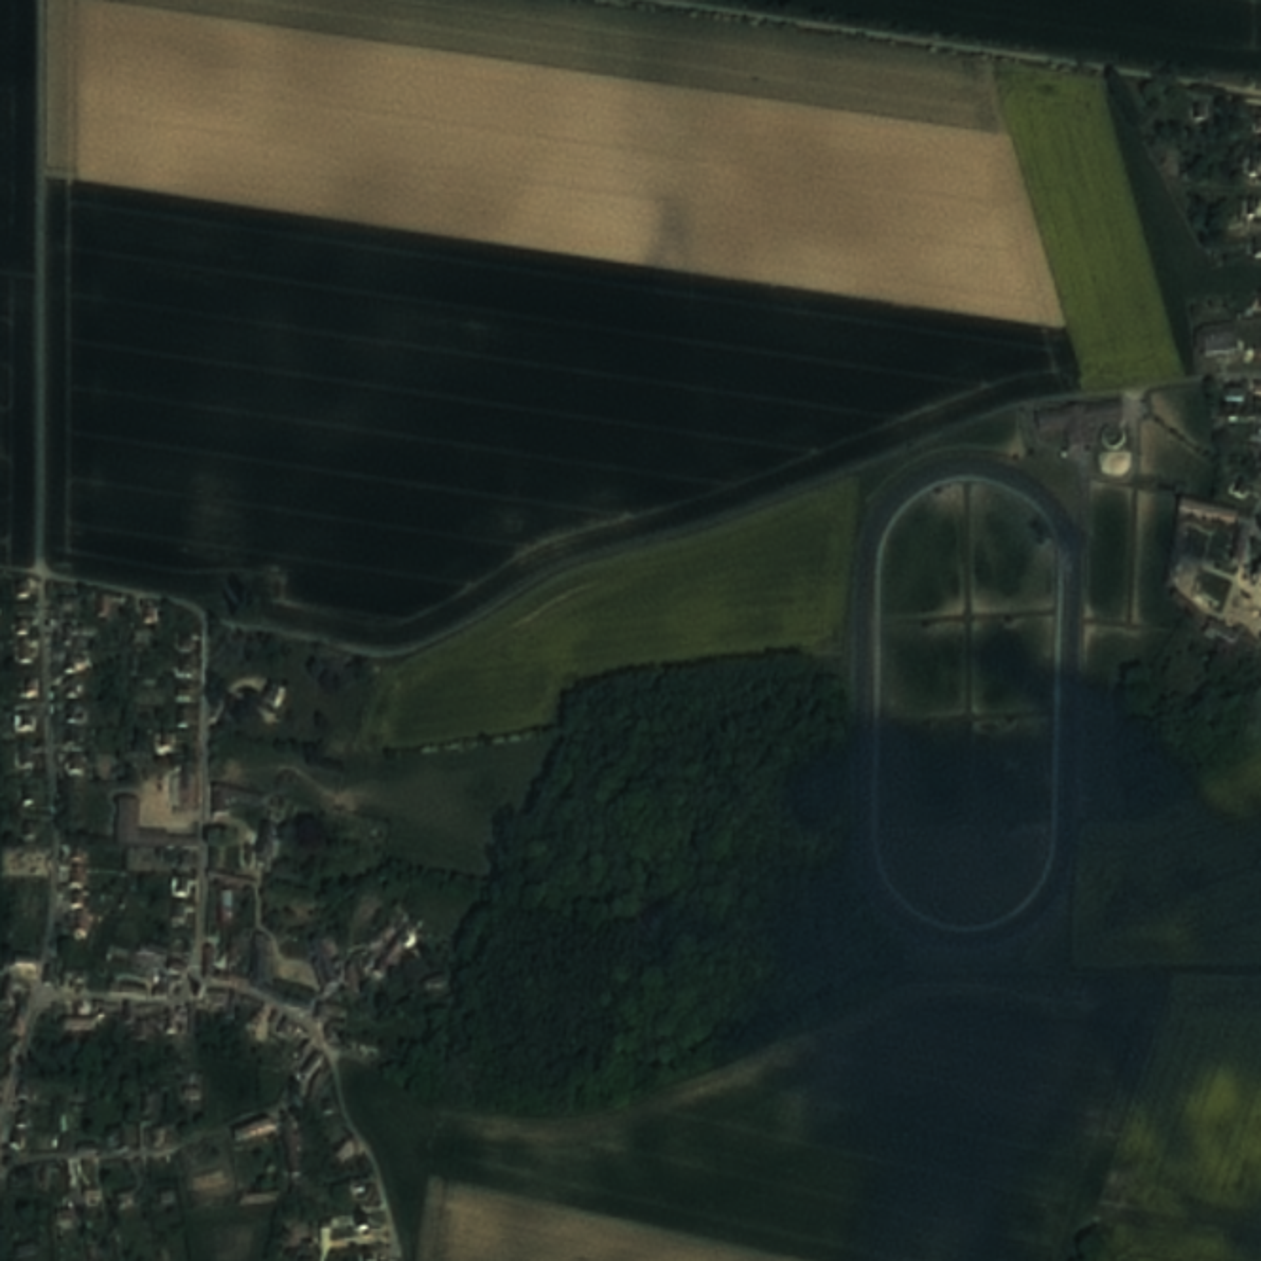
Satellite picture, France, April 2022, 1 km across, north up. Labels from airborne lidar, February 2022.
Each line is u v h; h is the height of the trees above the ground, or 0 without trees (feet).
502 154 0
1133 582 0
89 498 0
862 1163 0
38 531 0
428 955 48
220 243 0
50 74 0
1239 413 26
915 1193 0
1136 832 0
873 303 0
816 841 66
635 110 0
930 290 0
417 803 0
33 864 0
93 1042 20
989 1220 0
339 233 0
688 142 0
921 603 0
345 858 0
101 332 0
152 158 0
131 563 0
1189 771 52
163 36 0
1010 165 0
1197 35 0
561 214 0
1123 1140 0
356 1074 0
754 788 62
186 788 0
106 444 0
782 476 0
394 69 0
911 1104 0
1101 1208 0
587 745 54
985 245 0
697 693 73
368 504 0
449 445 0
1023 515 0
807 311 0
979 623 0
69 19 0
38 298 0
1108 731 0
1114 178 0
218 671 58
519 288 0
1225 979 0
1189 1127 0
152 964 0
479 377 0
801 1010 61
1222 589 0
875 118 0
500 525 0
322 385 0
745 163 0
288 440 0
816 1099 0
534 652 0
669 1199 0
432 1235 0
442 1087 38
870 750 0
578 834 63
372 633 0
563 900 64
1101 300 0
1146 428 0
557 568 0
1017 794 0
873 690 0
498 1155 0
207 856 0
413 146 0
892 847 0
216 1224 0
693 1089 0
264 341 0
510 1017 75
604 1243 0
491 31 0
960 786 0
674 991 80
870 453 0
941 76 0
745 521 0
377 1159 0
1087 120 0
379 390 0
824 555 0
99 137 0
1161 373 0
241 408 0
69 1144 39
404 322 0
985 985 0
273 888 30
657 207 0
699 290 0
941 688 0
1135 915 0
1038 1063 0
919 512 0
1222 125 50
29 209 0
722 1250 0
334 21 0
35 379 0
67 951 51
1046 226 0
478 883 32
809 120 0
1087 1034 0
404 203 0
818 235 0
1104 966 0
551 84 0
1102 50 0
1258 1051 0
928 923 0
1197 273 0
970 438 0
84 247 0
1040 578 0
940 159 0
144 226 0
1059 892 0
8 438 0
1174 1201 0
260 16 0
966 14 0
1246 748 51
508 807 0
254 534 0
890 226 0
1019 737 0
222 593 0
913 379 0
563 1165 0
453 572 0
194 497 0
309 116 0
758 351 0
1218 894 0
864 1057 0
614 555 0
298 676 0
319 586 0
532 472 0
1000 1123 0
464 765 0
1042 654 0
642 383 0
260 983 0
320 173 0
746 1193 0
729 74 0
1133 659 0
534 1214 0
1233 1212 0
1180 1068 0
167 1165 0
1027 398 0
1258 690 23
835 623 0
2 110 0
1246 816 0
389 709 0
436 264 0
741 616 0
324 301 0
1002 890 0
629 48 0
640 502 0
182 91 0
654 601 0
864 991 64
